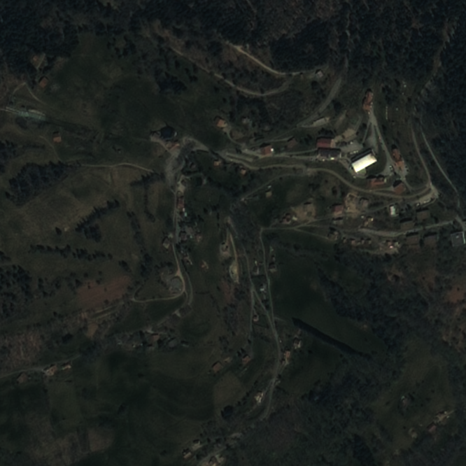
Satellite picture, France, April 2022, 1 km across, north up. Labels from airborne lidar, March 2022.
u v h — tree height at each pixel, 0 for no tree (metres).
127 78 0
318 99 6
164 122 0
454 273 19
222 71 9
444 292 20
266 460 11
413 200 0
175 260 0
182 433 0
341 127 0
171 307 0
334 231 11
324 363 0
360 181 0
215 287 0
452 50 33
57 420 0
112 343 21
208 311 0
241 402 7
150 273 11
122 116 0
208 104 0
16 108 0
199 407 0
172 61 21
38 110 0
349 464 27
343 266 0
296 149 0
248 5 27
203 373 0
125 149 0
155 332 13
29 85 19
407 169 0
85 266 0
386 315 14
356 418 36
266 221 0
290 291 0
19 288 0
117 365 0
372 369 25
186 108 0
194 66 10
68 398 0
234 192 18
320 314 0
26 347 15
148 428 0
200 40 13
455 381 25
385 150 0
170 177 0
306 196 0
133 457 0
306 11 34
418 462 23
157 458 0
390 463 0
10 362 16
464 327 0
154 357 0
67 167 11
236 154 0
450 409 0
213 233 0
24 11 31
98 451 0
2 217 0
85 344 0
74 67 0
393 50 23
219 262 0
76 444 0
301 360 0
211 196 0
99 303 0
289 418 28
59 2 24
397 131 0
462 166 29
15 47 31
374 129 0
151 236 0
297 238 0
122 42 0
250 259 0
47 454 0
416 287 24
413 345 0
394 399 0
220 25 24
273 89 0
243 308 0
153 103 0
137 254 0
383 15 18
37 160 0
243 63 11
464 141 30
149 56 18
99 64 0
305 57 19
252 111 5
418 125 20
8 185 0
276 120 6
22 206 0
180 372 0
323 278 23
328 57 16
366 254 11
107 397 0
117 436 0
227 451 7
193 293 0
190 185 0
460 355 19
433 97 25
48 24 16
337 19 32
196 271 0
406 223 0
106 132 0
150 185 8
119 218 0
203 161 0
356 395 27
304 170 0
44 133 0
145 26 23
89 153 0
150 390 0
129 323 0
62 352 0
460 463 0
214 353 0
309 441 25
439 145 22
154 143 0
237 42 19
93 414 0
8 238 0
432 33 33
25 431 0
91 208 0
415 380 0
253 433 22
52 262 0
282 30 29
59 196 0
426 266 0
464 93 31
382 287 19
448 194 15
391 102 23
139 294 0
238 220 20
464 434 23
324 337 20
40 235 0
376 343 0
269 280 0
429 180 0
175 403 0
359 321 15
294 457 20
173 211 0
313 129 0
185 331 0
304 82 0
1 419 0
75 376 0
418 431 0
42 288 11
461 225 8
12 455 12
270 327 16
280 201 0
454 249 16
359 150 0
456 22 16
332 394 28
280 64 22
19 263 0
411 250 7
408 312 27
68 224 0
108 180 0
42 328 13
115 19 18
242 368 6
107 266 0
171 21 25
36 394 0
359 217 0
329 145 0
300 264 0
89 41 0
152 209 0
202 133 0
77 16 24
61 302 0
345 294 15
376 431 0
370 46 28
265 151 0
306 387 0
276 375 0
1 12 30
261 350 0
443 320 17
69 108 0
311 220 0
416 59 34
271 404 0
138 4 26
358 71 25
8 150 15
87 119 0
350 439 31
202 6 29
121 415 15
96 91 0
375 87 0
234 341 0
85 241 0
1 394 0
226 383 0
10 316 19
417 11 21
